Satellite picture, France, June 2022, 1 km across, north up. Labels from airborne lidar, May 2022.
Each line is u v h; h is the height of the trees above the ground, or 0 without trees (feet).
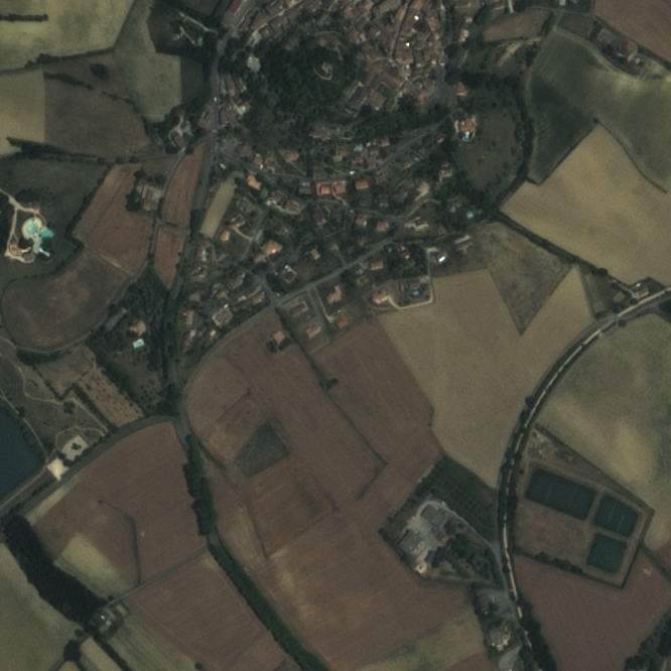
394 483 0
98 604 60
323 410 0
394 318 0
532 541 0
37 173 0
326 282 0
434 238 22
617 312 22
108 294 0
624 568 0
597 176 0
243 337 0
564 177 0
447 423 0
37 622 0
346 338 0
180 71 0
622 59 31
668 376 0
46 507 0
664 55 0
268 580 0
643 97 0
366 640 0
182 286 19
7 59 0
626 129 0
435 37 0
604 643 0
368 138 28
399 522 0
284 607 0
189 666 0
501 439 0
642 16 0
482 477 0
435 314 0
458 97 26
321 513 0
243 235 0
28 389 0
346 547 0
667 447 0
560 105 0
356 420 0
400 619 0
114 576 0
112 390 0
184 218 0
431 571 0
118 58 0
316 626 0
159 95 0
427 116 34
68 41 0
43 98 0
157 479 0
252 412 0
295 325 0
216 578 0
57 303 0
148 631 0
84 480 0
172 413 22
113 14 0
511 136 0
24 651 0
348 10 0
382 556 0
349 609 0
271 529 0
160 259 0
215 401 0
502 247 0
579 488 0
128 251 0
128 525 0
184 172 0
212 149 0
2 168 0
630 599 0
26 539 74
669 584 0
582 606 0
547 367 0
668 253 0
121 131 0
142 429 0
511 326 0
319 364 0
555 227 0
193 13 33
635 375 0
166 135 32
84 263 0
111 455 0
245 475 0
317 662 66
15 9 0
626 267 0
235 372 0
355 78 31
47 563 77
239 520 0
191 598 0
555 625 0
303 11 24
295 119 26
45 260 26
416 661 0
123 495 0
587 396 0
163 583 0
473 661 0
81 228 0
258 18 0
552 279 0
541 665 45
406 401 0
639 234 0
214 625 0
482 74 41
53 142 0
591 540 0
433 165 20
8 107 0
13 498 0
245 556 0
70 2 0
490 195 48
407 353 0
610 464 0
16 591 0
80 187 0
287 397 0
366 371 0
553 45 0
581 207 0
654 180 0
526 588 0
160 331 26
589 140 0
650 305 0
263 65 49
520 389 0
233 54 39
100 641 47
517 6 39
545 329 0
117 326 29
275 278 31
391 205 20
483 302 0
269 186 32
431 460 0
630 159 0
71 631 0
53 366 0
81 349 0
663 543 0
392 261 29
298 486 0
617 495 0
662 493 0
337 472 0
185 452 0
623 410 0
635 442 0
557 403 0
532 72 0
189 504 0
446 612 0
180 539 0
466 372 0
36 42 0
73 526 0
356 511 0
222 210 0
